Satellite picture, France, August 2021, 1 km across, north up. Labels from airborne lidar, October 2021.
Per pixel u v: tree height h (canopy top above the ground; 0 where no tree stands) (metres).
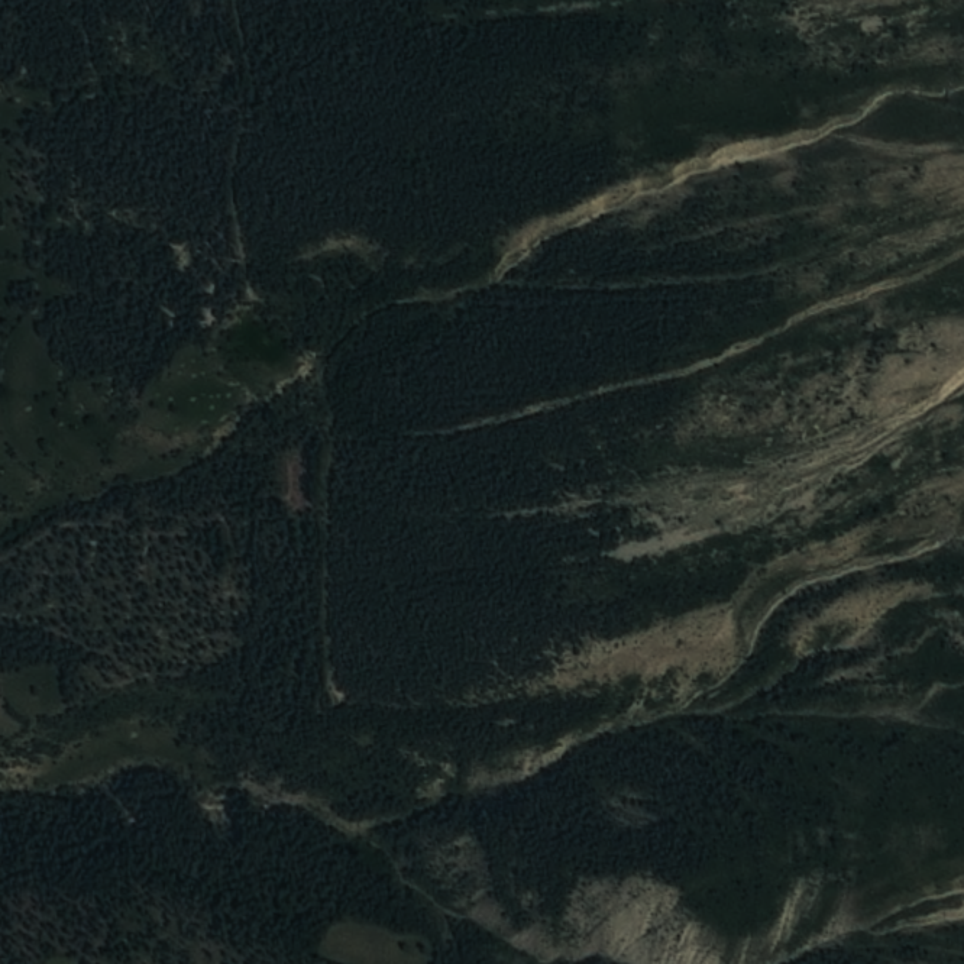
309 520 10
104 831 15
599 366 7
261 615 10
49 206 7
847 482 0
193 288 10
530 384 6
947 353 0
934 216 0
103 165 8
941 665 0
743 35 0
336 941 0
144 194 9
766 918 0
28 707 0
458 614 8
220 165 9
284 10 8
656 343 6
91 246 13
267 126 9
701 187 0
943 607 0
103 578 14
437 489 10
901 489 0
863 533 0
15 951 15
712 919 0
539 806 7
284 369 0
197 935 17
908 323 0
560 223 0
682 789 10
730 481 0
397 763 7
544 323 7
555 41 6
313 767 7
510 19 7
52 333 7
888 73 0
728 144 0
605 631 7
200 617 9
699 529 0
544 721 9
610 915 0
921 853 0
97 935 18
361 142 9
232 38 10
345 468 7
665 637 0
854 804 0
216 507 6
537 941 0
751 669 6
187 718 7
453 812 9
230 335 6
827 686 7
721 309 6
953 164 0
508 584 8
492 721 7
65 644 12
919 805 0
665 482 0
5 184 0
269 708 12
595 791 11
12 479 0
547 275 6
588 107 7
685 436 0
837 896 0
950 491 0
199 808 13
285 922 16
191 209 8
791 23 0
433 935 6
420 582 7
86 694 9
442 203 7
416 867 6
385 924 9
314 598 8
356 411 10
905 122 0
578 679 0
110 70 8
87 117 9
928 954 6
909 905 0
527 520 6
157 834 9
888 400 0
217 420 0
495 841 12
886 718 0
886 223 0
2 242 0
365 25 11
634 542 0
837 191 0
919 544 0
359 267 7
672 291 6
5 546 8
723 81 0
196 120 10
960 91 0
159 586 12
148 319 13
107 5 13
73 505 8
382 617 9
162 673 10
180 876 16
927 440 0
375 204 8
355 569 7
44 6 8
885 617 0
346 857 15
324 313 7
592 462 7
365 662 7
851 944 0
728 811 8
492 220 6
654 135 0
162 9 8
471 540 5
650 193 0
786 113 0
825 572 0
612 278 8
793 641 0
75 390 0
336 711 9
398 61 9
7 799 8
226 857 17
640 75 0
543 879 7
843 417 0
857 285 0
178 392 0
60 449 0
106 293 9
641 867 8
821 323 0
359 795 9
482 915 0
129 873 17
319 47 13
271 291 6
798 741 8
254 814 15
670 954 0
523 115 7
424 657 10
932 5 0
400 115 7
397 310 10
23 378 0
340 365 7
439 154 7
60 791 9
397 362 10
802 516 0
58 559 0
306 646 13
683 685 0
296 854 13
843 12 0
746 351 0
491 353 7
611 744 7
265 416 18
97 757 0
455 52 6
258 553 10
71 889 14
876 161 0
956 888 0
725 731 8
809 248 0
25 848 19
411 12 14
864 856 0
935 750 0
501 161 9
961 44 0
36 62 9
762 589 0
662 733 8
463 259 7
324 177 9
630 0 0
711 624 0
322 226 6
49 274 11
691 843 12
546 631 7
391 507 7
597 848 12
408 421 6
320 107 8
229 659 11
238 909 19
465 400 7
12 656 11
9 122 0
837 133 0
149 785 14
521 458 8
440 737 8
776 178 0
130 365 10
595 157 7
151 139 11
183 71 10
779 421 0
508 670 6
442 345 8
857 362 0
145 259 9
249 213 8
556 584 6
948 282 0
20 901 14
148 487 8
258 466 12
